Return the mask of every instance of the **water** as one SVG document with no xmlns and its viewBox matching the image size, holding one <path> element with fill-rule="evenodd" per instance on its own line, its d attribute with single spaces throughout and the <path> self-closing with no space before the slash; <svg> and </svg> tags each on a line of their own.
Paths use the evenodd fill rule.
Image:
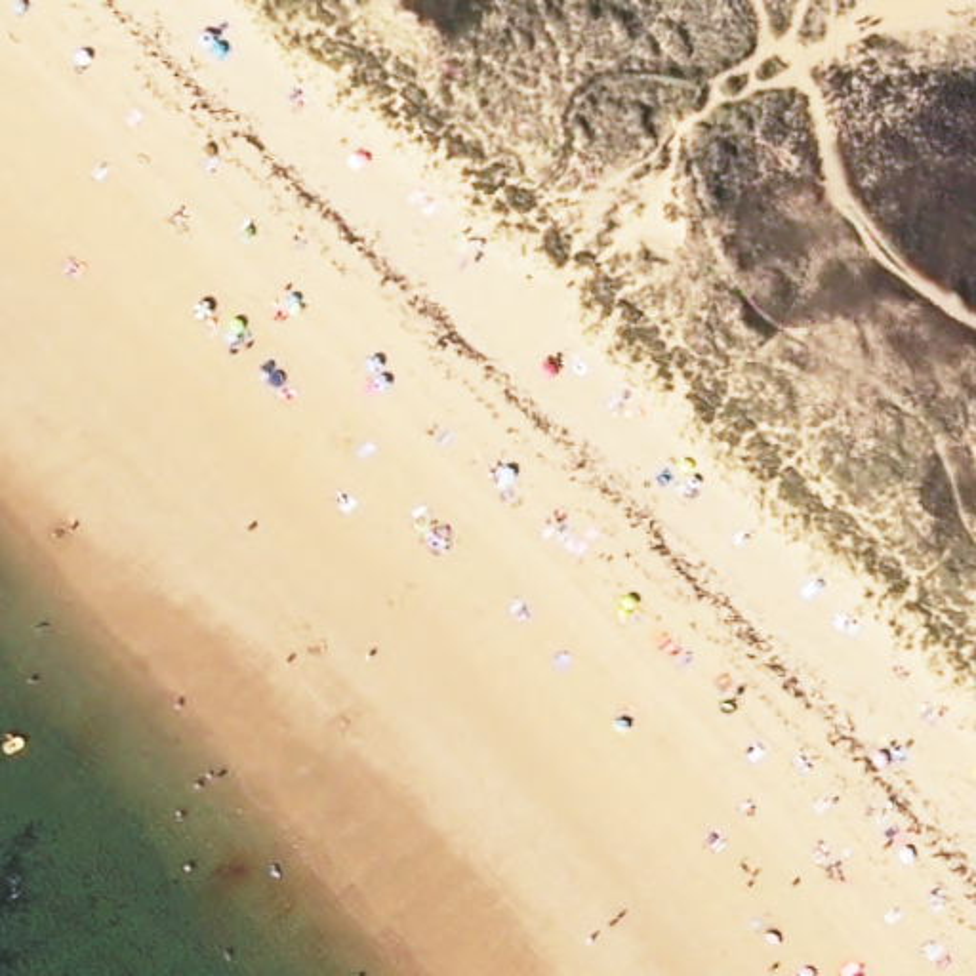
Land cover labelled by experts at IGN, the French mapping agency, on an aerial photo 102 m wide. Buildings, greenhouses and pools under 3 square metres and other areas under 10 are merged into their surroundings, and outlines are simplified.
<svg viewBox="0 0 976 976">
<path fill-rule="evenodd" d="M 42 705 L 38 694 L 31 694 L 19 682 L 0 641 L 0 976 L 301 976 L 290 961 L 282 961 L 275 942 L 267 942 L 255 930 L 255 923 L 236 907 L 233 896 L 225 896 L 221 888 L 194 892 L 183 877 L 168 873 L 160 846 L 145 831 L 145 804 L 137 797 L 126 797 L 114 774 L 88 751 L 88 743 L 72 736 Z"/>
</svg>

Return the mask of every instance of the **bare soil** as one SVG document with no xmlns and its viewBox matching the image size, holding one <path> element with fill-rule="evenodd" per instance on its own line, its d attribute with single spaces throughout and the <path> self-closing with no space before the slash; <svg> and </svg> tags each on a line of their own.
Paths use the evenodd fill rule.
<svg viewBox="0 0 976 976">
<path fill-rule="evenodd" d="M 904 118 L 896 126 L 926 164 L 946 168 L 949 145 L 926 137 L 915 118 Z"/>
<path fill-rule="evenodd" d="M 824 164 L 804 92 L 755 92 L 747 103 L 721 103 L 713 122 L 694 122 L 690 111 L 705 107 L 709 80 L 747 61 L 759 46 L 751 0 L 0 0 L 0 641 L 19 682 L 31 694 L 38 694 L 42 705 L 72 736 L 88 743 L 88 751 L 114 774 L 126 797 L 137 797 L 145 804 L 145 831 L 160 846 L 168 873 L 183 877 L 194 892 L 221 888 L 225 896 L 233 896 L 236 907 L 255 923 L 255 930 L 267 942 L 275 942 L 282 961 L 290 961 L 301 976 L 976 976 L 976 328 L 953 320 L 930 297 L 915 294 L 907 282 L 900 282 L 865 255 L 862 233 L 831 206 L 824 191 Z"/>
<path fill-rule="evenodd" d="M 900 210 L 885 179 L 904 172 L 904 160 L 885 149 L 881 133 L 858 130 L 846 133 L 835 149 L 850 194 L 885 233 L 896 225 Z"/>
</svg>

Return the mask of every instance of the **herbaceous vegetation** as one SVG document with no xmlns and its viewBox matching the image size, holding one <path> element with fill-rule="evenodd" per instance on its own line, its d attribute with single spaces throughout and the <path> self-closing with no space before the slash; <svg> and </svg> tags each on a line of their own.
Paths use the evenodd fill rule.
<svg viewBox="0 0 976 976">
<path fill-rule="evenodd" d="M 896 126 L 881 133 L 885 149 L 904 160 L 904 172 L 885 179 L 900 210 L 896 225 L 885 233 L 919 275 L 926 275 L 942 290 L 957 294 L 968 309 L 976 309 L 976 69 L 949 69 L 938 84 L 938 95 L 926 99 L 915 118 L 926 137 L 949 145 L 946 168 L 926 164 Z"/>
</svg>

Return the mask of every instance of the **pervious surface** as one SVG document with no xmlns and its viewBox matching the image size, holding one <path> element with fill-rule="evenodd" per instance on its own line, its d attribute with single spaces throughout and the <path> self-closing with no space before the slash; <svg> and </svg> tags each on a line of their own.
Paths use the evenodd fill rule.
<svg viewBox="0 0 976 976">
<path fill-rule="evenodd" d="M 885 233 L 850 194 L 835 149 L 846 133 L 858 130 L 881 133 L 896 126 L 904 118 L 915 118 L 926 99 L 938 95 L 938 84 L 949 69 L 976 69 L 976 0 L 751 0 L 759 46 L 747 61 L 709 80 L 705 107 L 690 111 L 694 122 L 713 122 L 721 103 L 747 103 L 755 92 L 804 92 L 824 164 L 824 191 L 831 206 L 862 233 L 865 255 L 900 282 L 907 282 L 915 294 L 930 297 L 953 320 L 976 328 L 976 309 L 968 309 L 957 294 L 942 290 L 926 275 L 919 275 Z"/>
</svg>

